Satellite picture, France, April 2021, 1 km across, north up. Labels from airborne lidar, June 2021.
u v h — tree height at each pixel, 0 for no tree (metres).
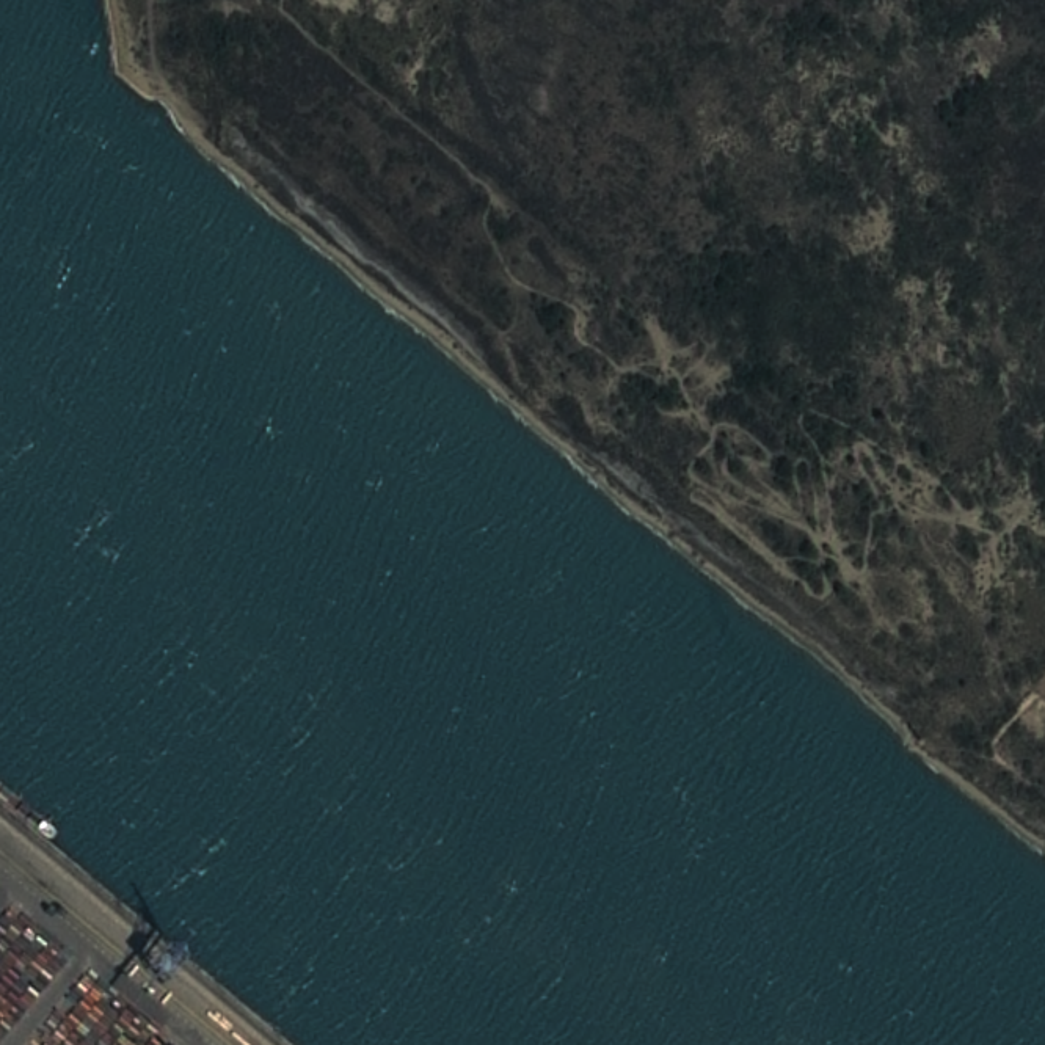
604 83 0
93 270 0
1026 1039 0
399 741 0
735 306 7
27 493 0
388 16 0
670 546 0
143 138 0
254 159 0
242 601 0
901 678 0
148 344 0
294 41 0
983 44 0
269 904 0
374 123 0
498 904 0
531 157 0
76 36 0
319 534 0
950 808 0
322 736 0
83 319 0
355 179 0
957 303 8
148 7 0
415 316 0
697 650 0
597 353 7
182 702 0
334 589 0
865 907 0
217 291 0
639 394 7
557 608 0
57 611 0
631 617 0
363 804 0
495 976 0
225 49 10
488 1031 0
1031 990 0
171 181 0
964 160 0
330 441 0
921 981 0
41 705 0
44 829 0
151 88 0
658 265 6
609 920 0
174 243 0
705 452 0
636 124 0
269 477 0
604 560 0
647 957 0
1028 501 0
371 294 0
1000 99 0
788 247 8
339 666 0
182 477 0
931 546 0
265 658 0
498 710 0
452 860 0
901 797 0
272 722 0
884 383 7
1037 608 0
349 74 0
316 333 0
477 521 0
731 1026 0
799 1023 0
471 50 0
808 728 0
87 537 0
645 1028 0
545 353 0
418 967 0
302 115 0
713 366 0
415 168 0
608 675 0
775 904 0
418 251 0
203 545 0
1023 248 0
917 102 0
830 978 0
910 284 0
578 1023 0
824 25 9
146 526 0
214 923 0
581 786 0
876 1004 0
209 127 0
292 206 0
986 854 0
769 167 0
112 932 0
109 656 0
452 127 0
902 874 0
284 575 0
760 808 0
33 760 0
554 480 0
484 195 0
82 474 0
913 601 0
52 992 0
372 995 0
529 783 0
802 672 0
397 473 0
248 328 0
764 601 0
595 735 0
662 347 0
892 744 0
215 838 0
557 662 0
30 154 0
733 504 0
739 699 0
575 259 0
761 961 0
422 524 0
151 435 0
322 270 0
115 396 0
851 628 0
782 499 0
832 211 8
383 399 0
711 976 0
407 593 0
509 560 0
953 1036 0
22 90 0
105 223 0
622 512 0
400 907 0
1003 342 0
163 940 0
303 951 0
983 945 0
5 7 0
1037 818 0
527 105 0
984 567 0
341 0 0
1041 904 0
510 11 0
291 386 0
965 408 0
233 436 0
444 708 0
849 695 0
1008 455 7
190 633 0
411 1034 0
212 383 0
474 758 0
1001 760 0
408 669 0
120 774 0
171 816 0
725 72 0
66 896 0
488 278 0
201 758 0
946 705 0
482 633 0
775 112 0
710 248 7
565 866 0
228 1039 0
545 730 0
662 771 0
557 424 0
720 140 0
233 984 0
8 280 0
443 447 0
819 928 0
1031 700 0
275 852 0
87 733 0
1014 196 0
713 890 0
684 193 0
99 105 0
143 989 0
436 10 7
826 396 12
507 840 0
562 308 7
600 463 0
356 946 0
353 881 0
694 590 0
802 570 9
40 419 0
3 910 0
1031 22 0
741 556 0
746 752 0
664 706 0
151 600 0
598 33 0
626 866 0
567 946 0
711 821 0
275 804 0
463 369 0
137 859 0
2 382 0
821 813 0
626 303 6
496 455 0
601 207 0
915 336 0
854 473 0
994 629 9
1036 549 13
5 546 0
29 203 0
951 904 0
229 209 0
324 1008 0
